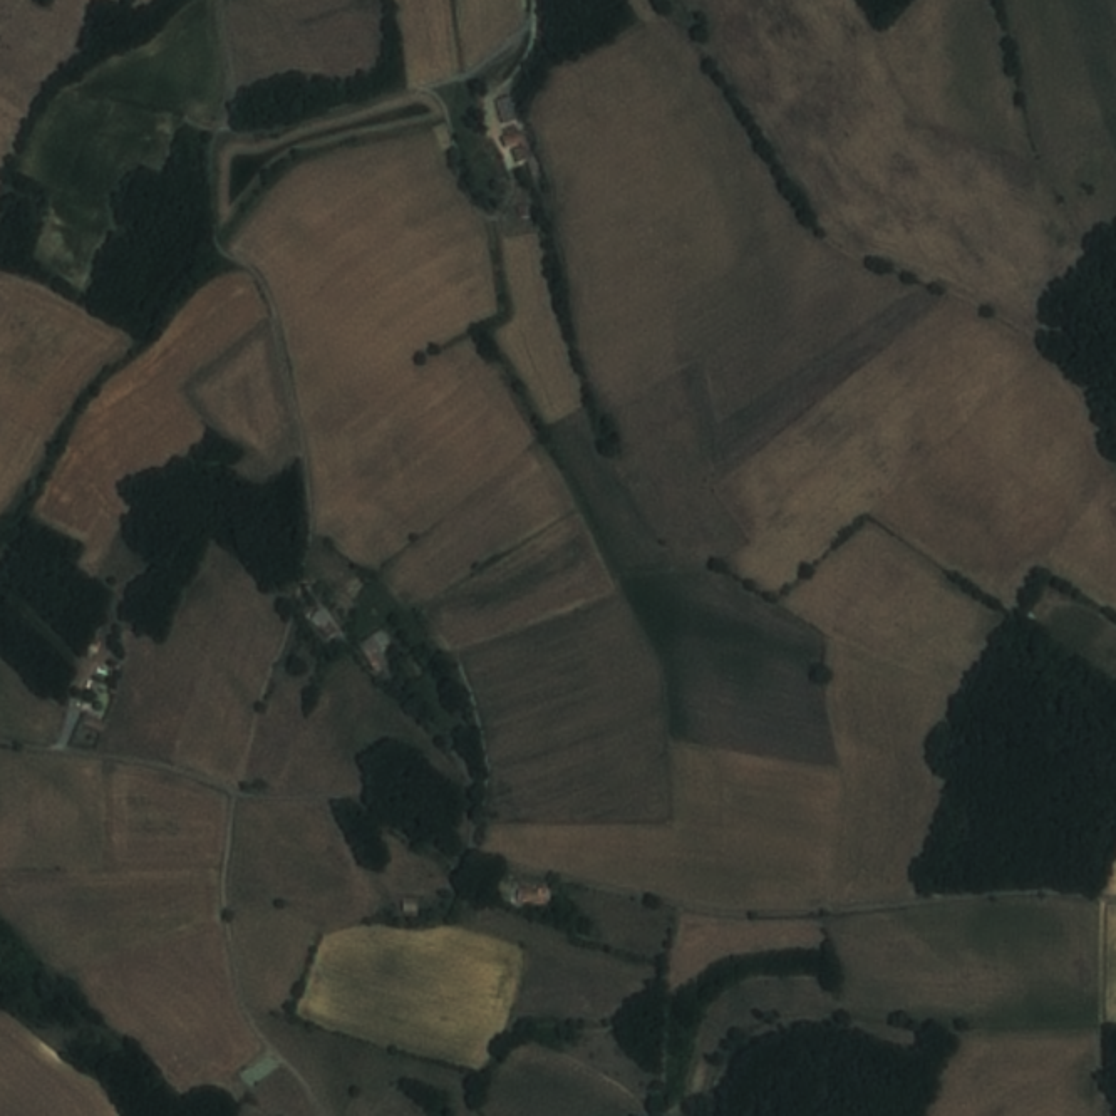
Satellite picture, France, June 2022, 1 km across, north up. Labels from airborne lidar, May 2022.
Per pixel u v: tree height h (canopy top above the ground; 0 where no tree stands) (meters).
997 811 16
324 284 0
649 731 0
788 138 0
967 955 0
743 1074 23
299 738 0
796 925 0
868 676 0
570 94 0
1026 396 0
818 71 0
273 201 0
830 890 0
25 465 0
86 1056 11
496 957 0
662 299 0
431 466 0
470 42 0
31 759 0
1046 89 0
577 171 0
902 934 0
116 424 0
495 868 20
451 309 0
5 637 11
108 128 0
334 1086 0
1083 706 13
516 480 0
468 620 0
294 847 0
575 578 0
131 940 0
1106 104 0
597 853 0
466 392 0
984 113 0
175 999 0
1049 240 0
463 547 0
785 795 0
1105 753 21
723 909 0
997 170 0
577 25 14
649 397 0
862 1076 15
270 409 0
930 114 0
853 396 0
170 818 0
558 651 0
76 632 12
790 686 0
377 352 0
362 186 0
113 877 0
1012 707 17
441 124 0
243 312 0
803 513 0
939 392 0
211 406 0
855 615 0
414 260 0
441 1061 8
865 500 0
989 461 0
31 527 20
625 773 0
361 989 0
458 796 18
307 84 13
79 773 0
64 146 0
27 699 0
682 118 0
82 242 0
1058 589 13
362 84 15
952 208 0
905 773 0
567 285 11
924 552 0
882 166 0
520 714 0
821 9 0
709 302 0
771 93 0
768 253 0
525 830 0
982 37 0
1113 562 0
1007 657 20
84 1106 0
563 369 0
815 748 0
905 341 0
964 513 0
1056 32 0
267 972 0
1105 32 0
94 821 0
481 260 0
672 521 0
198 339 0
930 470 0
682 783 0
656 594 0
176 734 0
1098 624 0
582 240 0
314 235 0
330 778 0
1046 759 17
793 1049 14
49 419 0
